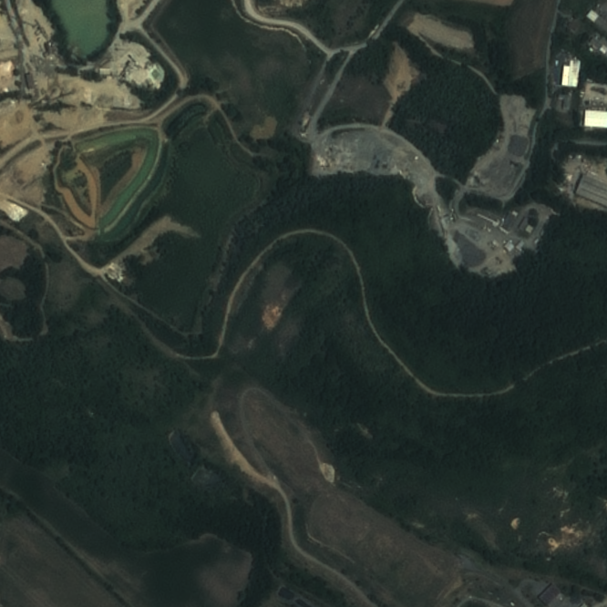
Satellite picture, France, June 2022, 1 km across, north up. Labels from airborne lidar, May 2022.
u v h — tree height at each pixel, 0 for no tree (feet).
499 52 77
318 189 41
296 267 22
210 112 0
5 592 0
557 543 0
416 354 22
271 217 34
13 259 0
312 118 0
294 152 21
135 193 0
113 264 0
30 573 0
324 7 51
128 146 0
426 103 25
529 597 20
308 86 0
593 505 49
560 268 43
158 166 0
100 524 18
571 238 63
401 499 31
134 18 0
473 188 0
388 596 0
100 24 0
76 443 61
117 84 0
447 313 51
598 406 24
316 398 24
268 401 0
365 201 25
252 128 0
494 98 66
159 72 0
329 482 0
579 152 37
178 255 18
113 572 0
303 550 0
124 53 0
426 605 0
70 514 0
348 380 27
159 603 0
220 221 17
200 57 0
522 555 44
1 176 0
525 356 41
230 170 27
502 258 0
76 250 31
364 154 0
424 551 0
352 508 0
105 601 0
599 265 25
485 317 60
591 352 37
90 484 22
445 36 0
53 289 0
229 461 0
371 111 0
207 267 18
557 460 30
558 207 42
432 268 22
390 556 0
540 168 52
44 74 0
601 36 30
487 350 38
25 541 0
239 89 0
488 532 0
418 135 52
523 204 65
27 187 0
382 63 29
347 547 0
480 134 32
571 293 50
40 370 33
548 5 0
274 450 0
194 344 31
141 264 29
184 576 0
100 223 0
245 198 21
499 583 0
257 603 31
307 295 18
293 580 23
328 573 0
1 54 0
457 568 0
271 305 0
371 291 21
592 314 27
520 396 21
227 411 0
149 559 0
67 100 0
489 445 35
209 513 41
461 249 0
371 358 27
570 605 0
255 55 0
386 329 40
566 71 0
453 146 63
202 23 0
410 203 25
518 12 0
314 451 0
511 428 30
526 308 62
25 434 23
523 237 0
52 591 0
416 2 0
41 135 0
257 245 18
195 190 19
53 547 0
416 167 0
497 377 28
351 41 0
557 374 23
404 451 43
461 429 36
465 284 29
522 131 0
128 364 35
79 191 0
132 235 20
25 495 0
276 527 41
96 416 34
